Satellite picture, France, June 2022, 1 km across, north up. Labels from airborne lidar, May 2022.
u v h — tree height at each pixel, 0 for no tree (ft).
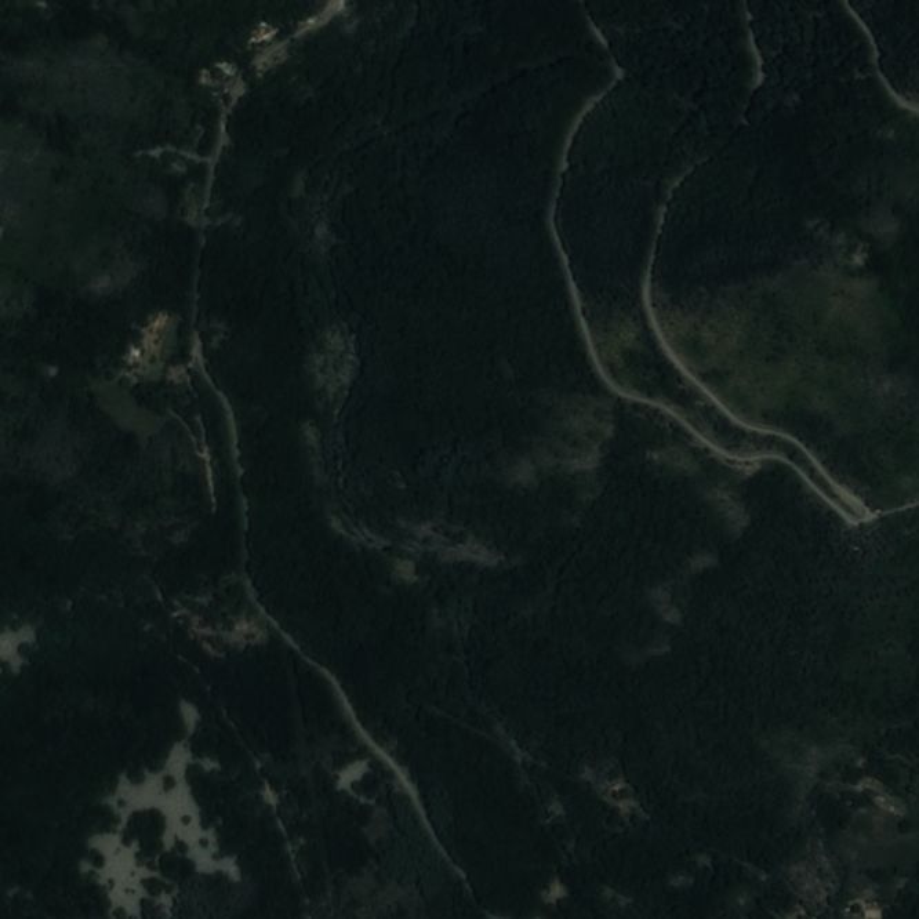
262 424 22
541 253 43
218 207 30
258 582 75
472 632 34
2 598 42
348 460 31
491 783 44
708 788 30
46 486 23
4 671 29
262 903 41
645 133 50
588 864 34
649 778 52
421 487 52
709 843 55
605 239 37
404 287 69
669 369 31
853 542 28
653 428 35
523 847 43
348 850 46
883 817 0
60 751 43
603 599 35
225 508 41
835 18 59
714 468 25
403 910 29
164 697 43
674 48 44
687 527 34
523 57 76
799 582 25
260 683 54
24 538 66
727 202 45
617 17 48
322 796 32
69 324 41
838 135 31
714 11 37
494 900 60
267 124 35
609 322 19
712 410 31
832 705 46
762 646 34
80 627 36
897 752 46
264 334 81
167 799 0
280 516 51
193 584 58
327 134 63
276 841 32
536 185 43
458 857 51
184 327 43
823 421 23
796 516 25
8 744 64
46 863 55
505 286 38
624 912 32
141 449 33
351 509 28
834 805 46
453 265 62
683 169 45
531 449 25
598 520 45
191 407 31
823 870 23
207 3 37
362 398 53
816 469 24
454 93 39
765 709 20
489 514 50
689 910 48
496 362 31
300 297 54
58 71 0
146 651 46
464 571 49
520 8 63
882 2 64
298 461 37
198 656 53
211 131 31
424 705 28
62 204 0
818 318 19
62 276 24
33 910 21
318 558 50
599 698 46
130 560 46
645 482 34
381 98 52
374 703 40
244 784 22
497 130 51
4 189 0
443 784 55
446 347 48
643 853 48
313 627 70
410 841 70
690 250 38
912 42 55
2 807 70
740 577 33
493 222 42
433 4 51
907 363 23
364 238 46
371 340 63
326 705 45
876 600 40
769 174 60
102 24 40
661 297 0
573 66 84
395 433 56
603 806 34
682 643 60
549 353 26
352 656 49
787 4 65
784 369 0
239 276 40
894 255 20
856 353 18
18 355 27
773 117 58
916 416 23
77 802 49
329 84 39
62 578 52
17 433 31
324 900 29
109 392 0
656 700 63
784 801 27
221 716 31
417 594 29
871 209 34
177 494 21
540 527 29
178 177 21
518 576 70
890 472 18
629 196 43
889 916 57
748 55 46
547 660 47
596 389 28
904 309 27
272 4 31
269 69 23
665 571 17
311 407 33
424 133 34
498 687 46
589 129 38
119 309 37
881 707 51
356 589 40
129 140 25
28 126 21
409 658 38
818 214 54
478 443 30
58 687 41
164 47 22
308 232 31
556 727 30
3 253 0
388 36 51
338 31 31
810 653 23
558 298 33
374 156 59
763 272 29
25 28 31
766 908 32
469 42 51
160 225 27
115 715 37
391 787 34
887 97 28
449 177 41
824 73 57
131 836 28
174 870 58
